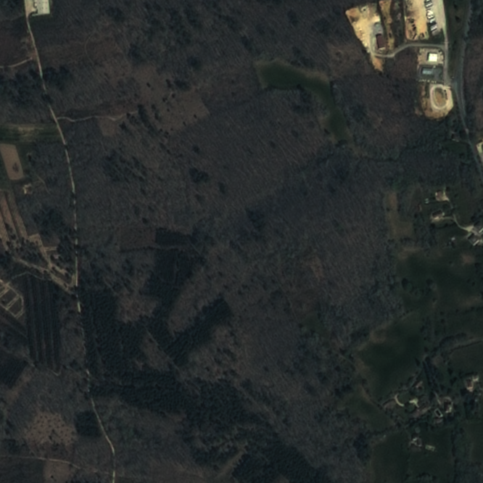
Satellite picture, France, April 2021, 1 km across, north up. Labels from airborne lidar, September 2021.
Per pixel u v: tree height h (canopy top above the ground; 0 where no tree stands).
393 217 0
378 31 0
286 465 22
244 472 21
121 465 14
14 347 17
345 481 13
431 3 0
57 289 6
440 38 0
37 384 12
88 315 18
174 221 10
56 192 10
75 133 7
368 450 28
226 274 13
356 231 17
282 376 22
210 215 14
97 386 17
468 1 0
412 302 0
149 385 19
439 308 0
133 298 7
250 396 17
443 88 0
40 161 16
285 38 22
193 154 13
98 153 14
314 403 14
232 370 11
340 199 19
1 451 8
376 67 0
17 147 0
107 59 18
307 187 23
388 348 0
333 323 19
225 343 9
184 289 8
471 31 8
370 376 0
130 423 10
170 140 20
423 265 0
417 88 0
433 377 20
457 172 18
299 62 19
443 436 0
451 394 13
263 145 19
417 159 17
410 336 0
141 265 11
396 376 0
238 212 18
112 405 23
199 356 20
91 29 16
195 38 18
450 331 0
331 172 22
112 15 21
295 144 18
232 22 22
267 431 21
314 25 20
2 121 20
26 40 0
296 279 8
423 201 0
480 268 8
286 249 10
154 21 23
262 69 0
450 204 8
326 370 16
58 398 19
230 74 7
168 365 9
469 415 10
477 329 0
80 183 14
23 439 8
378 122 13
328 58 20
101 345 19
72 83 19
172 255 10
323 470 15
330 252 16
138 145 17
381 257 18
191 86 18
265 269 10
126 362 18
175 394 20
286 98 18
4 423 19
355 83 14
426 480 12
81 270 13
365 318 16
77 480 13
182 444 11
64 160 15
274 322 11
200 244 28
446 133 11
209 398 19
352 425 6
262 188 20
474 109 15
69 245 20
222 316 19
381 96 9
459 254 0
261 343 12
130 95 13
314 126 16
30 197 16
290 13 18
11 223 0
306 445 15
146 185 14
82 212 15
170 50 25
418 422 11
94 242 10
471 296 0
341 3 12
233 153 15
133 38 25
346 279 20
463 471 17
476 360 0
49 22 10
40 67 7
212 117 12
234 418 21
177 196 14
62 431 0
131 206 12
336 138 0
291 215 19
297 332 18
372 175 22
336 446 12
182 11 23
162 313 18
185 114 18
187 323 10
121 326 17
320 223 16
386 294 22
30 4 0
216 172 14
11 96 19
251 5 22
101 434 17
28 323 7
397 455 0
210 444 18
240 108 18
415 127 14
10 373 8
